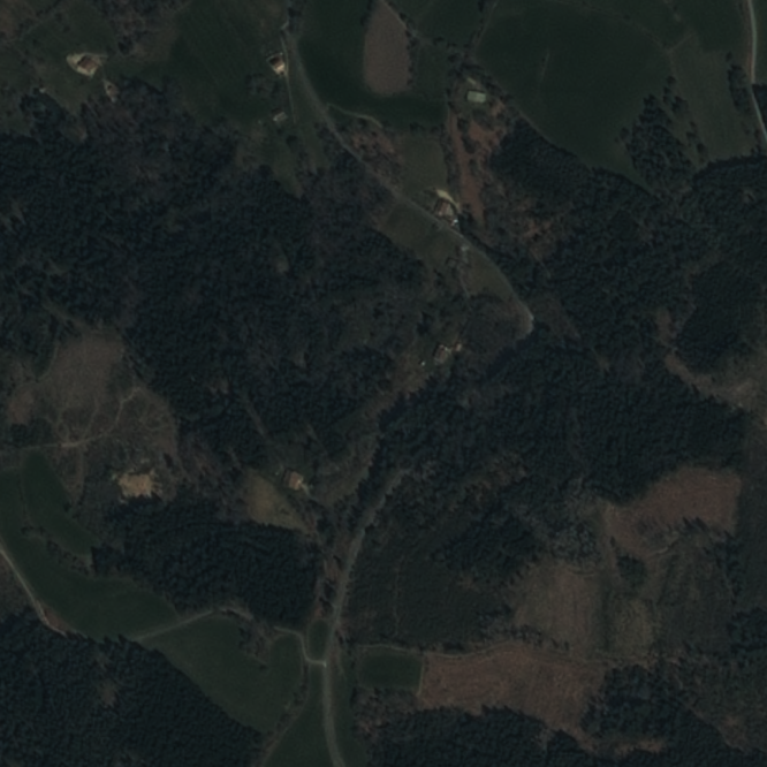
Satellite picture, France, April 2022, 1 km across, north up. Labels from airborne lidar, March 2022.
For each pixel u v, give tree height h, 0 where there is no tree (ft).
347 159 57
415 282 94
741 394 0
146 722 75
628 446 51
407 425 64
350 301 18
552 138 0
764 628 31
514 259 51
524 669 0
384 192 69
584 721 0
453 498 75
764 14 0
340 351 49
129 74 0
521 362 84
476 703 0
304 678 0
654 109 58
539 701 0
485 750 87
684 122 0
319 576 80
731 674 35
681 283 60
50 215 95
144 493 0
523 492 49
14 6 0
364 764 0
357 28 0
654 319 22
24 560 0
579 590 0
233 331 57
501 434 57
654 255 64
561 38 0
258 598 74
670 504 0
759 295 23
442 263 0
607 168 0
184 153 87
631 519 0
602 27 0
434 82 0
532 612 0
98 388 0
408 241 0
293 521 0
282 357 75
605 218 74
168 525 43
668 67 0
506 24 0
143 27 23
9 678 81
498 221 59
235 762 54
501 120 36
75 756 69
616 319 83
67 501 0
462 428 86
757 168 76
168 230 37
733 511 0
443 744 45
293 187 0
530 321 0
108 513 26
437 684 0
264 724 0
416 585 19
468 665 0
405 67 0
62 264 75
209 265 83
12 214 91
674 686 23
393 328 26
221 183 82
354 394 48
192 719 66
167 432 0
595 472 80
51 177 63
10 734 70
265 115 0
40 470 0
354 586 18
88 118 61
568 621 0
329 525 58
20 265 79
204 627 0
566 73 0
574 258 55
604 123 0
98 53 0
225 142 46
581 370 83
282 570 65
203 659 0
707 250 73
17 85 0
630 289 75
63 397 0
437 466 100
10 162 101
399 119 0
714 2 0
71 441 0
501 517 61
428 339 94
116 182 81
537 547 33
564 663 0
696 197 38
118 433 0
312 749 0
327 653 0
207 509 36
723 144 0
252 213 64
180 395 44
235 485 79
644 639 0
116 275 95
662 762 60
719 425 56
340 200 72
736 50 0
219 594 76
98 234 95
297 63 0
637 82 0
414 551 18
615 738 85
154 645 0
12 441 37
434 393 66
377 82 0
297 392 80
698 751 60
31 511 0
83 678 74
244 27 0
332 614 43
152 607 0
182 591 76
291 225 80
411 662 0
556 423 63
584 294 73
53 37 0
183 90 74
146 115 94
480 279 0
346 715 0
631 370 91
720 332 32
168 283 84
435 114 0
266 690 0
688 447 56
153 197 101
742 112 58
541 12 0
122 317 82
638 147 64
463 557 52
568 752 74
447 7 0
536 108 0
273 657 0
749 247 37
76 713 72
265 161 0
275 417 100
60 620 0
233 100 0
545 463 67
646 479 71
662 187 51
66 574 0
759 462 20
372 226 80
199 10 0
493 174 44
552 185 65
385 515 33
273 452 73
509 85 0
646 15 0
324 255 77
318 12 0
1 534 0
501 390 85
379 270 69
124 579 29
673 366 0
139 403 0
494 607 21
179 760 67
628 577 49
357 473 21
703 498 0
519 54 0
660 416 58
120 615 0
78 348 0
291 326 72
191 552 33
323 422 75
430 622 21
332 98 0
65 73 0
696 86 0
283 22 0
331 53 0
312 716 0
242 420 88
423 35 0
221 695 0
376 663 0
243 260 95
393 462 72
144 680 58
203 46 0
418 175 0
